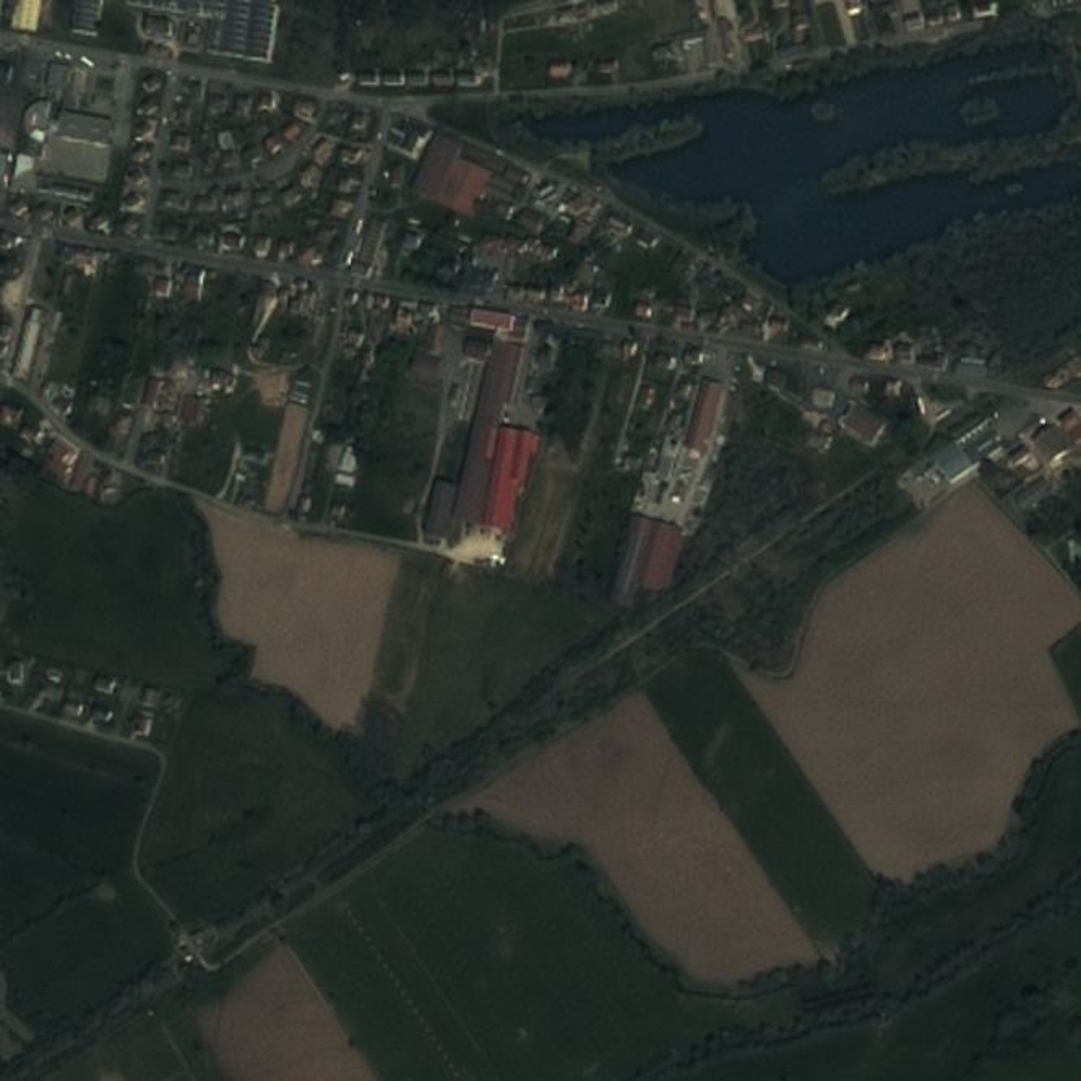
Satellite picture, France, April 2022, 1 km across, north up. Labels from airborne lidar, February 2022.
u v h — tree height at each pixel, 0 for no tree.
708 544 13
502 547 0
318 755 0
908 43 0
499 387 0
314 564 0
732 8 0
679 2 0
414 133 0
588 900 0
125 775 0
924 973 0
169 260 0
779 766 0
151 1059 0
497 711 11
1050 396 0
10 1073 6
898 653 0
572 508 0
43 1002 0
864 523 12
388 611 0
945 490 0
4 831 6
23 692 0
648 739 0
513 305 0
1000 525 0
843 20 0
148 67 0
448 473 0
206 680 0
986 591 0
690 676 0
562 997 0
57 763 0
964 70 0
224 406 0
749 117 0
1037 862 0
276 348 0
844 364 0
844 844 0
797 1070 0
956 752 0
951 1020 0
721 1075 0
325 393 0
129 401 0
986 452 0
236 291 0
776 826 0
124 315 0
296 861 0
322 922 0
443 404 0
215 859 0
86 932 0
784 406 0
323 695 0
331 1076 0
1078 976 20
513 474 0
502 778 0
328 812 0
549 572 0
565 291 0
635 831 0
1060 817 0
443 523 0
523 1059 0
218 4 0
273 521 0
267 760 0
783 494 7
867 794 0
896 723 0
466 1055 0
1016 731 0
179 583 0
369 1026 0
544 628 0
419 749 0
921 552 0
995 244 11
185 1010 0
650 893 0
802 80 11
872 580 0
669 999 0
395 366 15
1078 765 0
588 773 0
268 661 0
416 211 0
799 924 0
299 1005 0
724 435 0
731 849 0
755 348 0
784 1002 0
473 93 0
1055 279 7
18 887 0
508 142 12
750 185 0
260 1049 0
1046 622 0
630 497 0
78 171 0
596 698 6
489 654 0
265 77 0
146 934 0
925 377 0
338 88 0
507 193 0
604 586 12
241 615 0
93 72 0
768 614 10
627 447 0
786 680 0
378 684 0
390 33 0
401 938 0
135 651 0
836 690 0
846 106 0
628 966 0
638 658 0
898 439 6
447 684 0
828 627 0
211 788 0
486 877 0
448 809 0
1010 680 0
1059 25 16
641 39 0
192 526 0
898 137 0
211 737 0
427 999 0
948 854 0
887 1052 0
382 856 0
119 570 0
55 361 0
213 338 0
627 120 0
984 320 6
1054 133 17
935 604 0
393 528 0
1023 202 0
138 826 0
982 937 0
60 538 0
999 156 17
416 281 14
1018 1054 18
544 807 0
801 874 0
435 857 0
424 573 0
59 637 0
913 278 12
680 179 0
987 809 0
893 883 0
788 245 0
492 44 0
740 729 0
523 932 0
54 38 0
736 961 0
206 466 0
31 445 0
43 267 0
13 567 0
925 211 0
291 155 0
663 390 0
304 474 0
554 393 9
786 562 0
